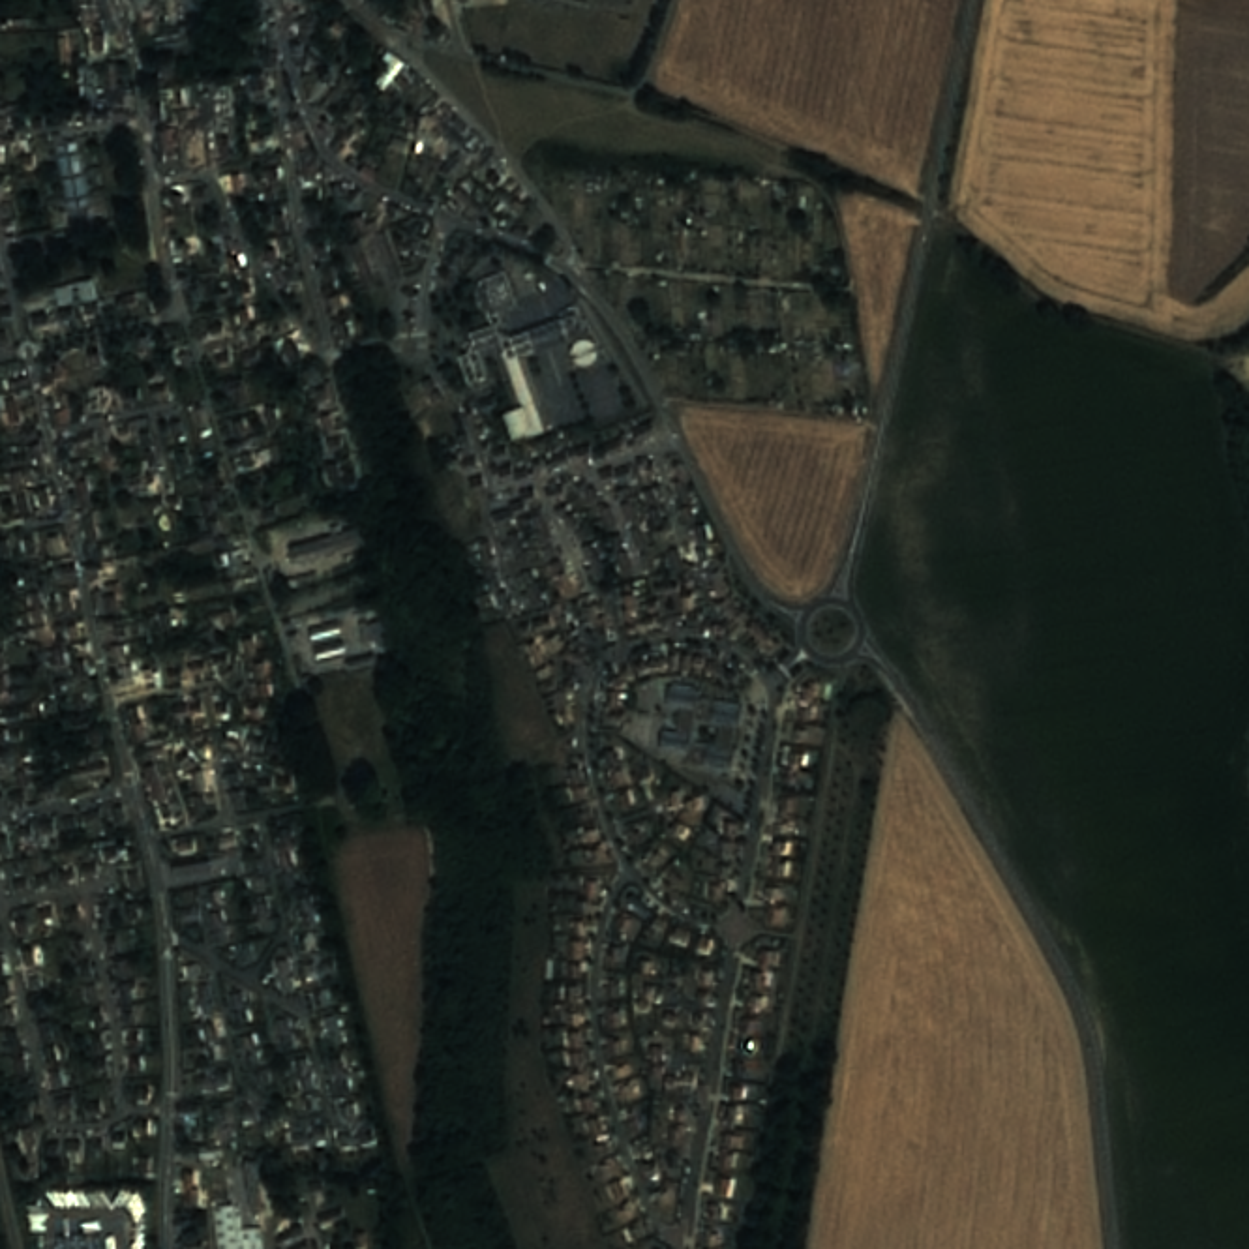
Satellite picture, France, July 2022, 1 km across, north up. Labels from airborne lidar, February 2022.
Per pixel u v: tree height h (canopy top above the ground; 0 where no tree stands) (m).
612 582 5
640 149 0
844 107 0
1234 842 0
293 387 10
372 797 31
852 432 0
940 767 0
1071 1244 0
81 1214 0
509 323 0
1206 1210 0
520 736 0
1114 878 0
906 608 0
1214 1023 0
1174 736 0
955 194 0
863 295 0
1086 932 0
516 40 0
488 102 0
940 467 0
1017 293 12
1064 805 0
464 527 0
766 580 0
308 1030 0
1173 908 0
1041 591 0
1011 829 0
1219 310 0
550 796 6
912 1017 0
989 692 0
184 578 6
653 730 0
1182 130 0
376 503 16
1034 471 0
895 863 0
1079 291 0
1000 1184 0
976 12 0
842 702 8
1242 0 0
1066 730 0
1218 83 0
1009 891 0
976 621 0
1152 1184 0
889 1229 0
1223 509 0
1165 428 0
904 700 0
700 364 0
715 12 0
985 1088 0
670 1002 0
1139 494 0
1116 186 0
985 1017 0
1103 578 0
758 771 6
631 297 0
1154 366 0
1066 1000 0
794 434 0
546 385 0
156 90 19
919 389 0
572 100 0
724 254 0
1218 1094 0
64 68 8
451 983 20
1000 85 0
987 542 0
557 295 0
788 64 0
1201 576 0
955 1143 0
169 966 0
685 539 0
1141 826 0
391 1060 0
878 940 0
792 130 0
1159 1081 0
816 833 0
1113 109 0
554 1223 0
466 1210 6
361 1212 0
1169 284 0
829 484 0
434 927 7
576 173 0
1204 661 0
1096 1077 0
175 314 0
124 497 11
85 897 0
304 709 22
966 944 0
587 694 0
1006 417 0
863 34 0
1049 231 0
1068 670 0
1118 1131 0
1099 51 0
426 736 21
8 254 0
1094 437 0
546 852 6
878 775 0
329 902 7
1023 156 0
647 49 14
